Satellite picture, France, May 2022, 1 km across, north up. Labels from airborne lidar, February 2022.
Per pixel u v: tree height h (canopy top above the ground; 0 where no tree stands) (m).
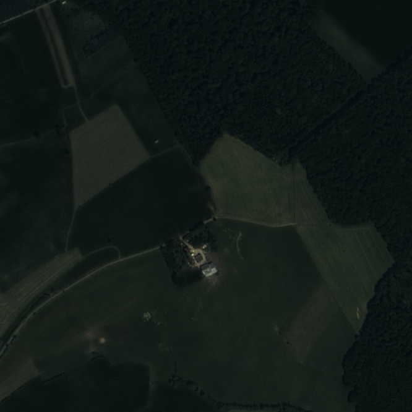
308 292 0
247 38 31
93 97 0
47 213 0
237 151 0
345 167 27
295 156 22
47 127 0
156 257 0
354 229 0
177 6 33
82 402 0
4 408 0
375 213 18
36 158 0
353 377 18
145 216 0
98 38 15
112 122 0
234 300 0
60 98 0
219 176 0
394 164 30
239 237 0
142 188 0
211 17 30
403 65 26
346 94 22
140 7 28
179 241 17
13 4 16
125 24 22
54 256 0
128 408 0
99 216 0
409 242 30
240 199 0
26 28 0
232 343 0
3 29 0
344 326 0
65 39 0
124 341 0
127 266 0
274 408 15
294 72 35
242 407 13
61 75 0
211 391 0
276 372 0
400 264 26
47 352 0
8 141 0
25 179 0
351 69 21
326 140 28
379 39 0
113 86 0
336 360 0
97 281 0
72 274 0
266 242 0
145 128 0
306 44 31
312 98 32
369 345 24
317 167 18
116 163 0
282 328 0
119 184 0
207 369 0
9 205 0
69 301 0
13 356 0
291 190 0
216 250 7
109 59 0
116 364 0
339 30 0
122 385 0
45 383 6
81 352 0
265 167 0
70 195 0
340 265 0
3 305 0
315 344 0
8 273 0
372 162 29
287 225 0
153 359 0
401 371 18
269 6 32
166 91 19
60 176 0
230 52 29
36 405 0
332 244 0
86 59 0
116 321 0
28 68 0
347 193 26
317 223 0
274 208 0
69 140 0
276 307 0
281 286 0
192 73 25
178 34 28
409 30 0
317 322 0
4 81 0
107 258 0
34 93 0
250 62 28
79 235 0
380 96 26
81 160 0
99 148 0
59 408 0
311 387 0
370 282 0
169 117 17
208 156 0
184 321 0
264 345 0
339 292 0
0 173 0
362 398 15
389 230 24
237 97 29
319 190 22
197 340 0
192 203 0
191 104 28
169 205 0
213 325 0
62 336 0
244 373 0
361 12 0
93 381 0
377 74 0
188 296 0
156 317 0
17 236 0
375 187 28
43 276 0
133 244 0
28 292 0
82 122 0
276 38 28
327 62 26
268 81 33
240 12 27
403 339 27
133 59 0
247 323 0
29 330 0
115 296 0
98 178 0
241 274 0
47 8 0
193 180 0
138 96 0
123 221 0
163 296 0
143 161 0
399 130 31
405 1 0
